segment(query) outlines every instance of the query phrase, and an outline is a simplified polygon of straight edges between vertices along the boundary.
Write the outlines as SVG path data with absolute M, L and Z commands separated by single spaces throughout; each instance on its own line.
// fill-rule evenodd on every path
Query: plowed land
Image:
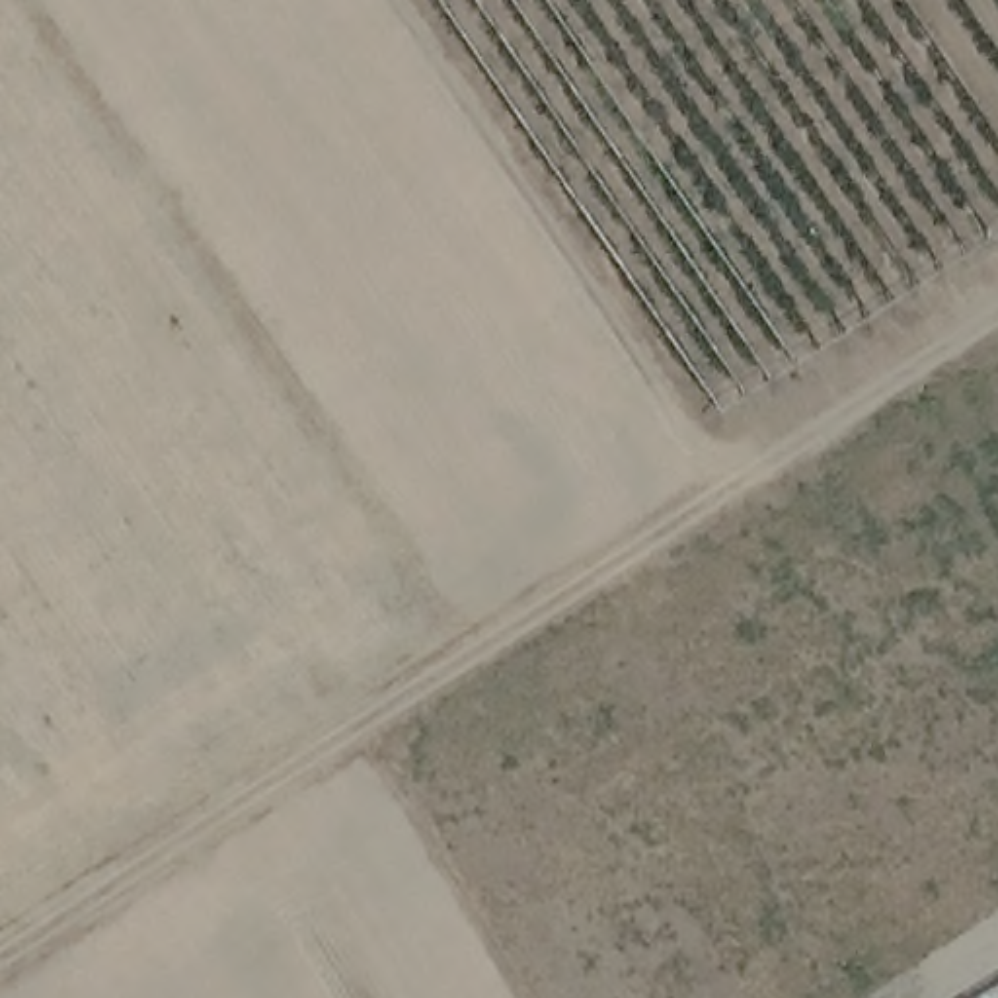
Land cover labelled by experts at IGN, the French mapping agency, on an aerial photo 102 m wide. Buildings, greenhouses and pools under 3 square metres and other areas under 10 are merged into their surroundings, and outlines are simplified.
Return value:
M 706 168 L 710 183 L 725 199 L 725 211 L 756 242 L 776 281 L 807 320 L 803 335 L 787 331 L 780 335 L 780 347 L 760 351 L 752 363 L 729 363 L 729 374 L 713 390 L 713 409 L 698 417 L 698 425 L 717 441 L 741 441 L 752 425 L 764 425 L 772 441 L 780 441 L 795 425 L 830 409 L 838 398 L 854 394 L 893 359 L 920 351 L 936 331 L 947 331 L 955 324 L 951 292 L 998 285 L 998 203 L 990 203 L 979 191 L 947 133 L 936 125 L 936 113 L 947 113 L 955 121 L 955 129 L 975 148 L 986 175 L 998 187 L 998 156 L 967 121 L 951 86 L 936 78 L 928 47 L 940 43 L 947 66 L 967 82 L 990 125 L 998 129 L 998 70 L 979 55 L 975 39 L 963 31 L 947 0 L 764 0 L 764 8 L 780 19 L 811 74 L 823 82 L 854 136 L 862 140 L 862 148 L 873 156 L 881 179 L 912 214 L 916 230 L 928 238 L 924 250 L 912 250 L 889 207 L 881 203 L 877 183 L 858 168 L 854 152 L 842 144 L 819 101 L 799 82 L 799 74 L 787 66 L 772 35 L 756 35 L 760 55 L 787 82 L 799 109 L 819 125 L 819 136 L 862 187 L 873 218 L 885 226 L 885 238 L 877 242 L 873 230 L 858 218 L 854 203 L 834 183 L 834 175 L 826 172 L 826 164 L 819 160 L 819 152 L 811 148 L 807 133 L 791 121 L 768 78 L 760 74 L 760 66 L 752 66 L 752 58 L 745 55 L 737 27 L 729 27 L 717 16 L 713 0 L 694 0 L 706 23 L 717 31 L 717 39 L 729 47 L 741 74 L 768 105 L 768 113 L 776 117 L 776 125 L 784 129 L 784 136 L 791 140 L 791 148 L 803 156 L 815 183 L 826 191 L 842 222 L 854 230 L 858 246 L 889 281 L 889 300 L 881 300 L 846 253 L 846 246 L 834 238 L 823 211 L 803 191 L 803 183 L 776 156 L 764 125 L 745 109 L 737 86 L 698 35 L 694 19 L 678 8 L 678 0 L 659 0 L 671 23 L 682 31 L 686 47 L 698 55 L 702 70 L 721 90 L 721 101 L 710 101 L 706 90 L 690 78 L 682 55 L 671 51 L 667 35 L 651 19 L 643 0 L 628 0 L 632 16 L 655 43 L 655 51 L 667 55 L 674 78 L 686 86 L 702 117 L 713 125 L 737 168 L 745 172 L 749 187 L 768 207 L 768 214 L 780 222 L 784 238 L 815 277 L 815 285 L 834 300 L 834 308 L 819 312 L 799 288 L 799 281 L 787 273 L 768 230 L 749 214 L 725 172 L 717 168 L 713 152 L 686 125 L 682 109 L 659 82 L 659 74 L 647 66 L 643 51 L 620 27 L 608 0 L 589 0 L 604 19 L 608 35 L 628 55 L 635 78 L 667 109 L 678 140 Z M 936 226 L 928 211 L 908 195 L 893 160 L 850 105 L 846 86 L 826 70 L 826 58 L 838 58 L 850 82 L 862 86 L 873 113 L 916 168 L 932 203 L 947 214 L 947 226 Z M 967 207 L 955 207 L 951 195 L 940 187 L 932 164 L 924 160 L 924 148 L 908 140 L 904 125 L 889 109 L 881 82 L 893 82 L 904 109 L 912 109 L 916 125 L 947 160 L 951 175 L 967 191 Z M 815 234 L 826 242 L 830 257 L 854 281 L 854 292 L 830 281 L 815 250 L 799 238 L 787 211 L 760 179 L 752 156 L 737 144 L 729 121 L 741 121 L 749 136 L 760 144 L 768 168 L 799 199 Z

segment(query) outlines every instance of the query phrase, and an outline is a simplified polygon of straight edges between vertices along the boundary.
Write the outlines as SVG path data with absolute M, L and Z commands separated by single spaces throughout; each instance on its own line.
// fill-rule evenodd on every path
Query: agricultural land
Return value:
M 495 109 L 491 94 L 480 86 L 472 66 L 464 58 L 444 58 L 441 27 L 425 0 L 0 0 L 0 916 L 19 912 L 23 920 L 35 920 L 43 928 L 51 916 L 74 908 L 101 885 L 113 885 L 109 912 L 117 916 L 117 924 L 66 947 L 39 975 L 0 994 L 0 998 L 865 998 L 873 986 L 885 986 L 897 975 L 920 967 L 932 951 L 947 947 L 951 940 L 959 940 L 963 932 L 998 912 L 998 285 L 951 292 L 955 324 L 947 331 L 936 331 L 920 351 L 893 359 L 854 394 L 838 398 L 830 409 L 795 425 L 780 441 L 772 441 L 764 425 L 752 425 L 741 441 L 717 441 L 698 425 L 698 417 L 686 413 L 682 394 L 667 378 L 667 351 L 655 343 L 651 327 L 635 312 L 632 296 L 620 288 L 608 261 L 573 230 L 569 203 L 561 199 L 557 183 L 550 183 L 542 168 L 530 160 L 526 144 L 511 133 L 507 117 Z

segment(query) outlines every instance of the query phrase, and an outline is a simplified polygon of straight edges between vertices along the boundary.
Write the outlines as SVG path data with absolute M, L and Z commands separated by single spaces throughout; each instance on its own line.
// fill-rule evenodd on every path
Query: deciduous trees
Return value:
M 659 82 L 682 109 L 686 125 L 713 152 L 717 168 L 725 172 L 749 214 L 768 230 L 787 273 L 799 281 L 799 288 L 819 312 L 834 308 L 834 300 L 815 285 L 815 277 L 784 238 L 780 222 L 768 214 L 768 207 L 749 187 L 745 172 L 737 168 L 713 125 L 702 117 L 686 86 L 674 78 L 667 55 L 655 51 L 655 43 L 632 16 L 628 0 L 608 0 L 620 27 L 643 51 L 647 66 L 659 74 Z
M 760 179 L 787 211 L 799 238 L 815 250 L 830 281 L 854 292 L 854 281 L 830 257 L 826 242 L 815 234 L 799 199 L 768 168 L 760 144 L 749 136 L 741 121 L 729 121 L 737 144 L 752 156 Z
M 928 211 L 936 226 L 947 226 L 947 214 L 932 203 L 916 168 L 873 113 L 862 86 L 850 82 L 838 58 L 826 58 L 826 70 L 846 86 L 850 105 L 893 160 L 908 195 Z
M 682 31 L 671 23 L 659 0 L 643 0 L 651 19 L 667 35 L 671 51 L 682 55 L 690 78 L 706 90 L 710 101 L 721 101 L 721 90 L 702 70 L 698 55 L 686 47 Z
M 803 335 L 807 320 L 776 281 L 756 242 L 725 211 L 725 199 L 710 183 L 706 168 L 678 140 L 667 109 L 635 78 L 628 55 L 608 35 L 604 19 L 589 0 L 425 0 L 441 27 L 444 58 L 464 58 L 472 66 L 480 86 L 491 94 L 495 109 L 507 117 L 511 133 L 526 144 L 530 160 L 542 168 L 550 183 L 557 183 L 561 199 L 569 203 L 573 230 L 608 261 L 620 288 L 632 296 L 635 312 L 651 327 L 655 343 L 667 351 L 667 378 L 682 394 L 686 413 L 698 417 L 713 409 L 713 390 L 729 374 L 729 363 L 752 363 L 760 351 L 780 347 L 780 335 L 787 331 Z
M 760 55 L 756 35 L 772 35 L 787 66 L 799 74 L 799 82 L 819 101 L 842 144 L 854 152 L 858 168 L 877 183 L 881 203 L 889 207 L 912 250 L 924 250 L 928 238 L 916 230 L 912 214 L 881 179 L 873 156 L 862 148 L 862 140 L 854 136 L 823 82 L 811 74 L 780 19 L 764 8 L 764 0 L 713 0 L 717 16 L 729 27 L 737 27 L 745 55 L 752 58 L 752 66 L 760 66 L 760 74 L 768 78 L 791 121 L 807 133 L 811 148 L 819 152 L 819 160 L 826 164 L 826 172 L 834 175 L 834 183 L 854 203 L 858 218 L 873 230 L 877 242 L 885 238 L 885 226 L 873 218 L 862 187 L 819 136 L 819 125 L 799 109 L 787 82 Z
M 975 39 L 979 55 L 998 70 L 998 0 L 947 0 L 963 31 Z
M 881 300 L 889 300 L 889 281 L 858 246 L 854 230 L 842 222 L 826 191 L 815 183 L 803 156 L 791 148 L 791 140 L 784 136 L 784 129 L 776 125 L 776 117 L 768 113 L 768 105 L 741 74 L 729 47 L 717 39 L 717 31 L 706 23 L 694 0 L 678 0 L 678 8 L 694 19 L 698 35 L 737 86 L 745 109 L 764 125 L 776 156 L 803 183 L 803 191 L 823 211 L 834 238 L 846 246 L 846 253 Z
M 967 82 L 947 66 L 940 43 L 928 47 L 936 78 L 951 86 L 967 121 L 998 156 L 998 129 L 990 125 Z
M 986 175 L 975 148 L 955 129 L 955 121 L 947 113 L 936 113 L 936 125 L 947 133 L 979 191 L 990 203 L 998 203 L 998 187 Z
M 916 125 L 912 109 L 904 109 L 893 82 L 881 82 L 889 109 L 904 125 L 908 140 L 924 148 L 924 160 L 932 164 L 940 187 L 951 195 L 955 207 L 967 207 L 967 191 L 951 175 L 947 160 Z

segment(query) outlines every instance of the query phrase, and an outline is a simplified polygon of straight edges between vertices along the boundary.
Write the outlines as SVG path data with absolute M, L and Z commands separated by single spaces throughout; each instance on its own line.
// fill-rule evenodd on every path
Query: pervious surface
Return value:
M 74 908 L 51 916 L 43 928 L 35 920 L 23 920 L 19 912 L 0 916 L 0 994 L 39 975 L 66 947 L 117 924 L 117 916 L 109 912 L 113 885 L 101 885 Z
M 897 975 L 885 986 L 873 986 L 865 998 L 998 998 L 998 912 L 963 932 L 959 940 L 951 940 L 947 947 L 932 951 L 920 967 Z

